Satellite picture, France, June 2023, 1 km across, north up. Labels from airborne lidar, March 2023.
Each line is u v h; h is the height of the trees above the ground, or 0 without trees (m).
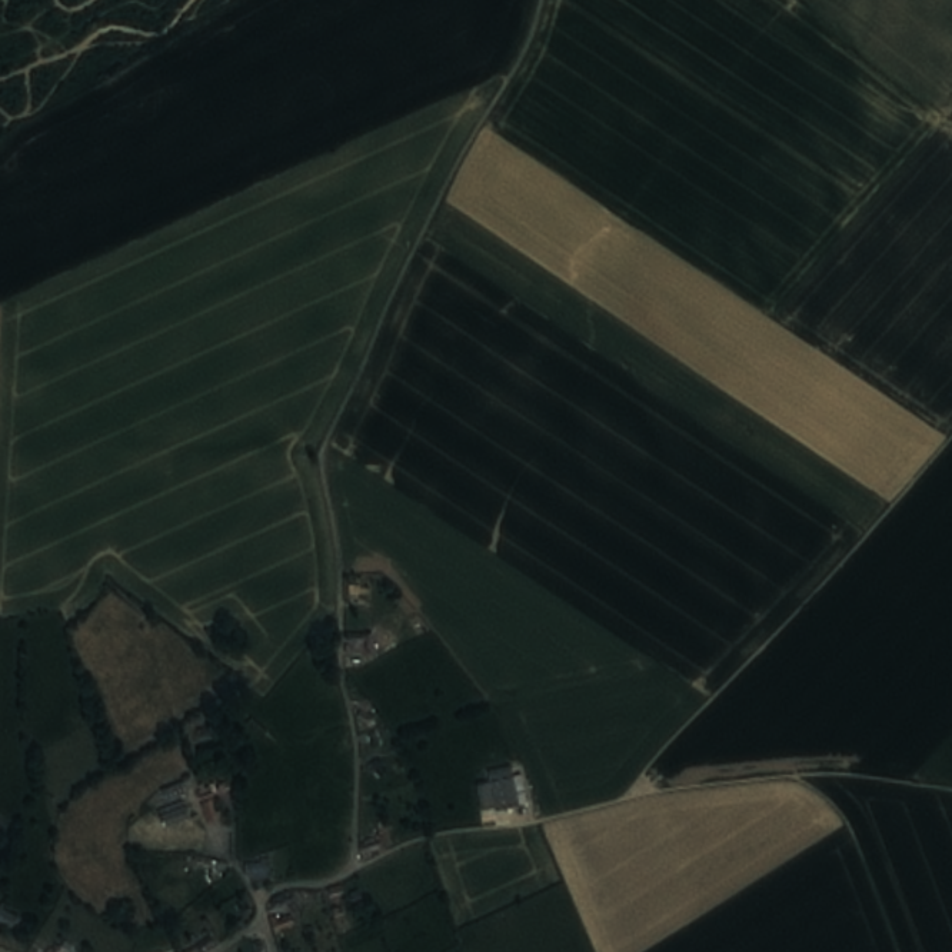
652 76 0
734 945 0
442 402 0
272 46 0
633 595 0
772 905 0
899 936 0
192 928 0
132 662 0
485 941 0
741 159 0
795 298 0
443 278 0
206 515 0
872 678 0
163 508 0
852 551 0
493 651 0
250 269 0
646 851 0
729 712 0
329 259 0
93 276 0
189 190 0
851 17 0
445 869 0
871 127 0
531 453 0
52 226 0
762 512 0
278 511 0
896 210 0
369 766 0
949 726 0
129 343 0
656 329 0
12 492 0
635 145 0
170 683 0
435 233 0
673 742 0
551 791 0
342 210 0
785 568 0
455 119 0
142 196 0
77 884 0
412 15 0
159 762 0
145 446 0
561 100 0
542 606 0
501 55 0
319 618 0
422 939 0
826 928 0
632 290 0
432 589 0
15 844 21
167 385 0
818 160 0
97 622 0
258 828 0
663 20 0
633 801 0
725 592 0
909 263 0
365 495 0
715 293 0
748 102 0
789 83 0
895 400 0
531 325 0
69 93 0
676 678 0
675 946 0
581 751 0
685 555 0
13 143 0
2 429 0
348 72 0
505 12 0
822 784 0
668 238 0
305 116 0
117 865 0
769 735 0
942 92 0
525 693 0
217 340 0
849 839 0
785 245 0
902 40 0
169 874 0
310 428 0
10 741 0
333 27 0
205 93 0
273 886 10
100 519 0
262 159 0
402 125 0
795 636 0
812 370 0
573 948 0
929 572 0
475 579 0
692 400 0
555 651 0
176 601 0
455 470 0
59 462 0
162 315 0
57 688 0
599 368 0
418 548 0
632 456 0
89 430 0
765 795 0
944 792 0
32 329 0
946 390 0
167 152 0
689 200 0
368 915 13
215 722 23
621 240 0
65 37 0
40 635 0
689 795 0
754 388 0
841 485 0
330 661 24
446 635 0
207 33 0
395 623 0
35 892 0
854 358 0
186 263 0
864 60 0
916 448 0
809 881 0
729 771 0
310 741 0
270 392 0
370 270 0
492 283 0
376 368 0
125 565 0
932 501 0
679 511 0
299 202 0
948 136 0
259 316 0
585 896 0
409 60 0
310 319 0
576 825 0
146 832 0
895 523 0
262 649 0
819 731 0
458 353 0
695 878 0
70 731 0
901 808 0
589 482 0
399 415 0
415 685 0
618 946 0
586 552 0
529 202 0
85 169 0
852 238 0
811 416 0
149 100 0
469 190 0
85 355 0
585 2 0
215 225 0
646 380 0
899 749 0
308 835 0
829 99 0
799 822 0
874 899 0
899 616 0
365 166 0
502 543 0
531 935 0
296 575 0
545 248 0
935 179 0
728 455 0
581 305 0
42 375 0
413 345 0
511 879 0
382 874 0
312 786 0
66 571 0
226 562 0
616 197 0
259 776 0
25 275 0
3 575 0
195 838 0
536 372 0
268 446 0
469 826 0
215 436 0
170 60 0
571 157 0
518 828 0
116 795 0
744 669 0
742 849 0
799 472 0
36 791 13
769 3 0
